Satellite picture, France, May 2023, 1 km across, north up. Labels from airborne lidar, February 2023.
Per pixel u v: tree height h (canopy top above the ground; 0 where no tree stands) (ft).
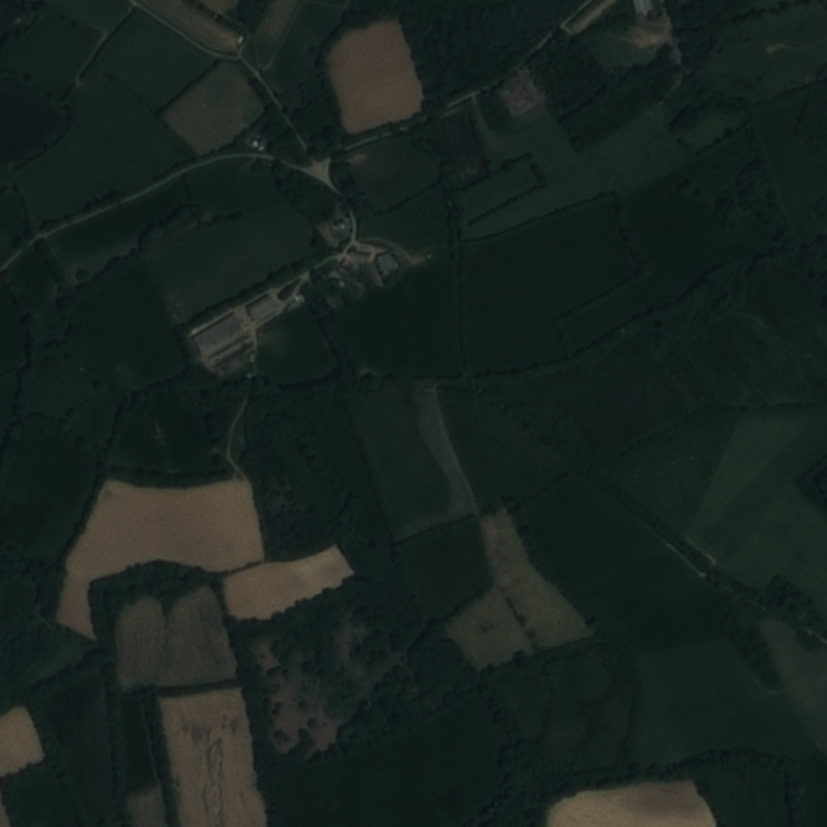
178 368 0
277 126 44
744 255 0
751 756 51
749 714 0
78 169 0
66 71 0
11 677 50
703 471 0
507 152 0
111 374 0
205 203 0
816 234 0
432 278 0
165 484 37
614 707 0
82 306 0
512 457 0
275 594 0
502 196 0
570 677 0
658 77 44
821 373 0
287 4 0
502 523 0
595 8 0
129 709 0
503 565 0
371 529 0
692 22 68
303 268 25
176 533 0
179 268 0
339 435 0
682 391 0
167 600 39
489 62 34
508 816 59
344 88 0
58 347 37
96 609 47
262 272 0
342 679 22
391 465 0
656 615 0
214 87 0
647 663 0
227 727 0
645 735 0
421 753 0
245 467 22
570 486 0
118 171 0
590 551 0
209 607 0
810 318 0
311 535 24
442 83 44
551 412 0
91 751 0
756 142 26
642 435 0
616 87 28
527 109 0
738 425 0
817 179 0
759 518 0
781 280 0
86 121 0
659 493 0
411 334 0
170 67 0
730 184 0
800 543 0
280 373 0
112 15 0
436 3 26
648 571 0
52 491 0
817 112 23
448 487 0
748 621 0
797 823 51
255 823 0
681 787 0
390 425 0
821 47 0
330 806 0
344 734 32
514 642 0
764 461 0
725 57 0
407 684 25
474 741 0
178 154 0
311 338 0
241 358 0
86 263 0
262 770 58
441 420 0
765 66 0
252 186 0
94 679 0
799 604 50
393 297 0
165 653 0
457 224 44
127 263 32
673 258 0
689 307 35
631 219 0
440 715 28
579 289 0
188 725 0
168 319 0
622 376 0
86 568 0
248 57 0
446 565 0
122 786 31
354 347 0
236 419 0
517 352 0
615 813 0
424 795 0
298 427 35
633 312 0
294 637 34
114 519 0
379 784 0
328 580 0
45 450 0
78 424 0
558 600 0
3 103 0
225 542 0
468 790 0
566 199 0
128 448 0
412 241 0
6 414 0
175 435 0
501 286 0
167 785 44
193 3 21
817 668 0
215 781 0
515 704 0
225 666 0
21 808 0
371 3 28
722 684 0
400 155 0
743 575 0
